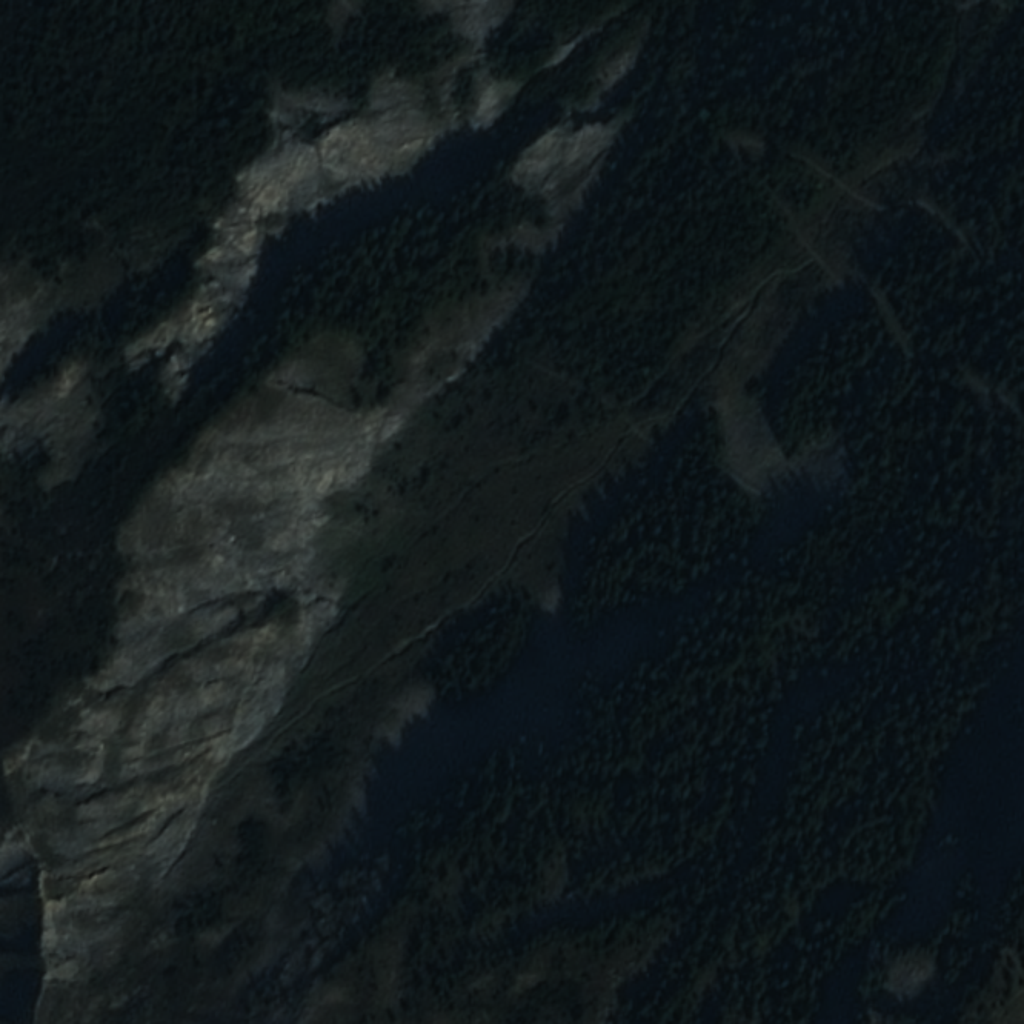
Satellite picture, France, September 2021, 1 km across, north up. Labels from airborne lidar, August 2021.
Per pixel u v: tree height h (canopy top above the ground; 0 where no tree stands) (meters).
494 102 0
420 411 0
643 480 7
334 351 0
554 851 18
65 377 0
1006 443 13
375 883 0
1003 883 11
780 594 21
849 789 32
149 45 9
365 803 0
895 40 11
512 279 11
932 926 7
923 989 0
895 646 8
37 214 7
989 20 8
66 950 0
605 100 0
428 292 22
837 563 6
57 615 0
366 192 0
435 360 0
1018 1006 0
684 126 14
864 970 6
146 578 0
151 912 0
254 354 8
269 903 0
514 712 0
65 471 0
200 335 0
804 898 23
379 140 0
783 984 16
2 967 0
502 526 0
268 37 7
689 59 12
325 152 0
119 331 19
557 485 0
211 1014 0
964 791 10
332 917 0
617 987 0
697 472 21
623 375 10
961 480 21
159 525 0
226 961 0
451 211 22
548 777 10
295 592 0
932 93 7
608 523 9
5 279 0
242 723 0
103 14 9
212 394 6
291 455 0
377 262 14
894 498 9
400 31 7
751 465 0
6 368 0
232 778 0
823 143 7
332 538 0
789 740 21
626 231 19
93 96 9
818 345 27
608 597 19
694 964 15
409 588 0
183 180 8
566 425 13
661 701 25
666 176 14
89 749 0
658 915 9
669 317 9
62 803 0
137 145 8
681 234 15
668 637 16
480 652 15
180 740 0
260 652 0
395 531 0
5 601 0
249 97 9
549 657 0
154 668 0
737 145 0
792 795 17
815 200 7
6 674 0
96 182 7
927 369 11
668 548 26
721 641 22
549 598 0
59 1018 0
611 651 0
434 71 11
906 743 15
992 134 23
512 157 8
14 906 0
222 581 0
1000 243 18
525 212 14
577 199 0
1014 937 12
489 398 6
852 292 0
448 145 0
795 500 0
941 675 25
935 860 0
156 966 0
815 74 34
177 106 15
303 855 0
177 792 0
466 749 0
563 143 0
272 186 0
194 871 0
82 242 9
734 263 7
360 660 0
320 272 24
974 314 9
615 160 7
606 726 7
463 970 10
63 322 0
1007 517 5
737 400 0
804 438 7
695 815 8
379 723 0
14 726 0
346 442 0
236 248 0
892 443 8
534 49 21
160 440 6
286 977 0
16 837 0
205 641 0
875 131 9
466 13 0
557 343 8
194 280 32
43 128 9
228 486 0
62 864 0
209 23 13
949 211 29
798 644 8
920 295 12
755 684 14
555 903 0
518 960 14
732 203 8
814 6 11
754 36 11
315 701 0
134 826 0
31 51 10
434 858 16
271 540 0
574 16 8
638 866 20
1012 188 31
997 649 7
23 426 0
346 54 16
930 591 25
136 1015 0
